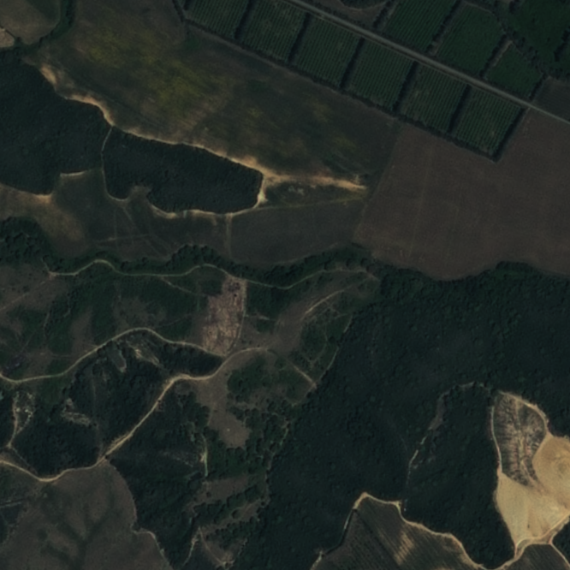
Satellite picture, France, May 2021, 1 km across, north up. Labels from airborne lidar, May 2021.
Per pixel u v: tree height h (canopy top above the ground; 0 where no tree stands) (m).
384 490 7
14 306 0
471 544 7
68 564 0
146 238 0
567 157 0
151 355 0
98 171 0
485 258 0
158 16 0
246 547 8
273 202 0
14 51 6
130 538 0
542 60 13
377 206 0
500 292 9
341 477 7
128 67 0
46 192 8
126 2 0
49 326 6
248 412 9
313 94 0
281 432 13
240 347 0
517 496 0
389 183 0
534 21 9
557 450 0
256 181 11
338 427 7
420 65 17
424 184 0
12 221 13
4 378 0
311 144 0
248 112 0
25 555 0
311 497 7
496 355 10
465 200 0
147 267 9
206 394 0
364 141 0
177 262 9
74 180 0
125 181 6
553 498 0
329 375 11
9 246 10
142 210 0
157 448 6
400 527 0
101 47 0
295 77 0
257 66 0
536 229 0
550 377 7
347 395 8
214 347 0
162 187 8
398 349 6
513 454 0
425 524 8
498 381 9
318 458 8
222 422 0
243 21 13
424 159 0
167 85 0
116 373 7
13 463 0
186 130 0
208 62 0
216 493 0
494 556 15
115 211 0
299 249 0
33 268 0
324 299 0
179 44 0
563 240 0
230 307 0
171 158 5
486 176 0
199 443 8
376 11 0
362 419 11
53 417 14
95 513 0
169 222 0
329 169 0
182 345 0
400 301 11
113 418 8
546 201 0
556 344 7
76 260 8
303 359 8
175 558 9
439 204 0
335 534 6
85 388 6
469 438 12
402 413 6
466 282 11
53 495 0
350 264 12
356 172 0
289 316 0
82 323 0
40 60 0
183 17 14
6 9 0
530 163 0
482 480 8
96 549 0
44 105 5
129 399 15
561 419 10
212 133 0
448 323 8
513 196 0
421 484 7
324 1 0
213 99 0
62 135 9
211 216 0
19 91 7
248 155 0
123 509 0
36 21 0
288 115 0
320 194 0
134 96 0
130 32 0
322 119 0
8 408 9
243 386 10
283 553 7
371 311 7
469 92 21
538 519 0
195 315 0
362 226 0
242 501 12
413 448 7
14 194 0
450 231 0
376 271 11
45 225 0
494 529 6
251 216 0
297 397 0
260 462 12
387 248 0
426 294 8
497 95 7
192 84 0
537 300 6
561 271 0
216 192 0
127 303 0
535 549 0
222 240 0
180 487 10
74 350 0
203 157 7
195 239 0
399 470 7
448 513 7
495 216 0
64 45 0
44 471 7
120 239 0
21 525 0
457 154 0
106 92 0
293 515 7
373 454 7
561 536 16
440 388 8
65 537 0
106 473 0
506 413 0
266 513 14
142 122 0
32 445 5
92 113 6
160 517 9
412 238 0
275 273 12
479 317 6
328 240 0
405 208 0
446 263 0
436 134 18
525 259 0
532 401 7
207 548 0
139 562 0
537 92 17
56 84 0
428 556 0
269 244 0
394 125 0
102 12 0
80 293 8
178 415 7
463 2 14
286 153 0
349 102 0
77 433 7
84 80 0
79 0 0
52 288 0
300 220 0
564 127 0
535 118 0
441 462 6
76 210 0
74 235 0
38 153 6
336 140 0
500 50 17
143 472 6
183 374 0
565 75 8
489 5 14
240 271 10
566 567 0
